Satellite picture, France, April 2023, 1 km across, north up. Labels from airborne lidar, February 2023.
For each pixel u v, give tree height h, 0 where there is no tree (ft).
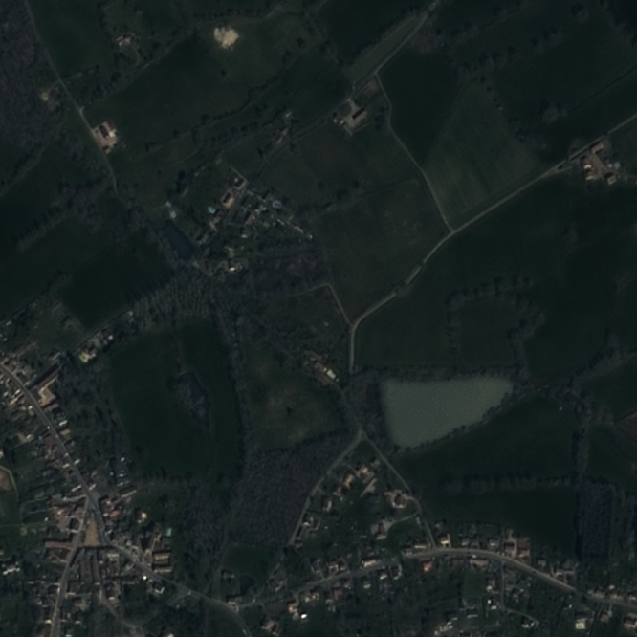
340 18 0
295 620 0
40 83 0
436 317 0
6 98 66
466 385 0
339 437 43
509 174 0
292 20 0
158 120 0
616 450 0
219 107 0
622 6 0
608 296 0
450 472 0
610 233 0
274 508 47
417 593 51
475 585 0
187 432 0
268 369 0
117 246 0
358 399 41
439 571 24
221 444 0
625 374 0
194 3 0
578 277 0
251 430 56
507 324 0
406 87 0
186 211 29
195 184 27
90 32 0
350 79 0
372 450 0
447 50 41
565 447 0
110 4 47
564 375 0
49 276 0
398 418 0
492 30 0
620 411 0
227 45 0
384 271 0
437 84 0
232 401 0
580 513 37
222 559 103
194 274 62
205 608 56
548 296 0
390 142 0
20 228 0
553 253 0
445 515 0
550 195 0
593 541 58
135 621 54
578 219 0
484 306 0
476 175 0
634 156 0
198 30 38
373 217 0
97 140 0
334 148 0
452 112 0
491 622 0
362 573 0
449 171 0
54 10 0
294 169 0
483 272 0
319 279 41
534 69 0
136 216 51
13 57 65
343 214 0
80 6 0
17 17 65
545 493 0
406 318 0
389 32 44
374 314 0
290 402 0
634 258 0
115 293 0
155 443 0
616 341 49
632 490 0
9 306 0
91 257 0
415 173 0
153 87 0
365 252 0
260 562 0
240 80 0
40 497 0
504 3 0
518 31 0
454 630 0
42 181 0
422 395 0
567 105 0
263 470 20
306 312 0
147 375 0
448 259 0
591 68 0
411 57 0
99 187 56
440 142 0
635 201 0
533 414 0
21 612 0
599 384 0
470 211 0
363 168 0
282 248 46
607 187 0
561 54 0
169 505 67
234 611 0
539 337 0
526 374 59
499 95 0
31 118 67
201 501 81
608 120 0
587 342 0
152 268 0
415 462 0
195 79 0
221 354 0
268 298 70
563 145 0
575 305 0
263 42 0
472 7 0
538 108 0
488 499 0
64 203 0
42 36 0
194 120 0
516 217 0
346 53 0
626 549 58
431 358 0
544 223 0
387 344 0
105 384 53
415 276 0
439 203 0
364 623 50
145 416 0
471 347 0
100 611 52
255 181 44
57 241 0
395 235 0
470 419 0
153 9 0
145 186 0
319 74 0
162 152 0
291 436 0
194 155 0
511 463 0
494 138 0
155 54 42
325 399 0
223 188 33
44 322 0
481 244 0
